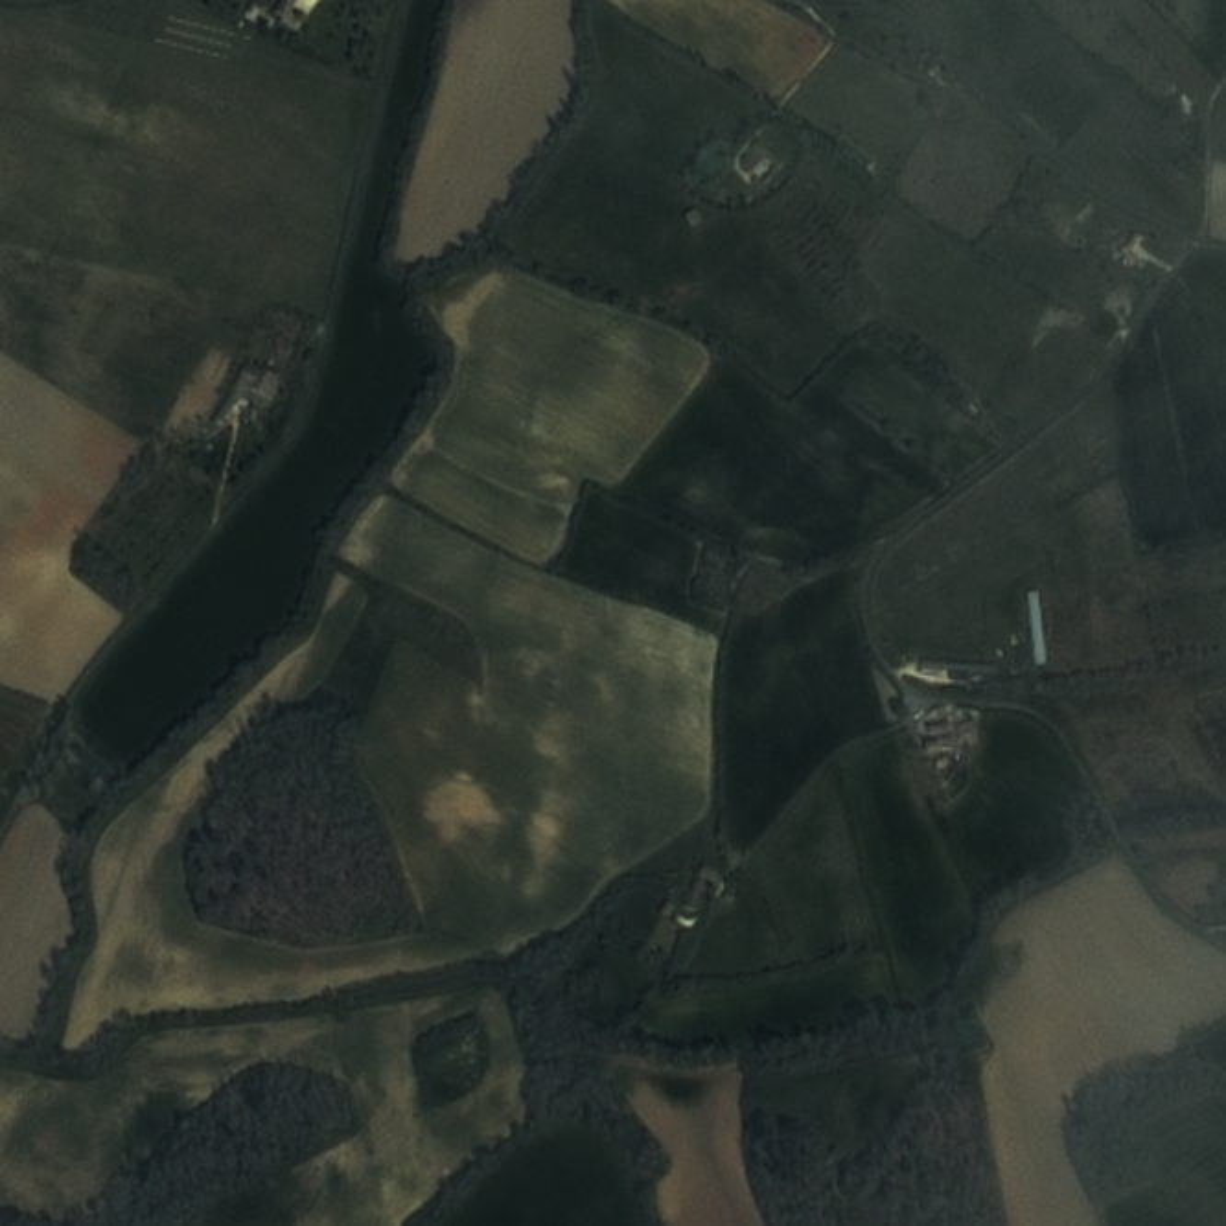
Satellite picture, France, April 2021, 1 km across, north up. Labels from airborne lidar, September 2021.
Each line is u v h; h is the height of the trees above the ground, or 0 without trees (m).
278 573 0
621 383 0
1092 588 0
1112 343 0
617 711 0
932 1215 13
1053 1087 0
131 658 0
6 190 0
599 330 0
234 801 10
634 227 0
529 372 0
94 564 9
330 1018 0
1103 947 0
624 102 0
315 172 0
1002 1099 0
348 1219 0
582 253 0
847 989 0
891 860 0
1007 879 0
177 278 0
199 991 0
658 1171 7
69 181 0
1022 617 0
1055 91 0
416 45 0
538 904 0
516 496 0
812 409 0
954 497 0
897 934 0
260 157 0
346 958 0
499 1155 9
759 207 6
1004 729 0
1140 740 0
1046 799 0
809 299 0
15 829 0
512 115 0
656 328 0
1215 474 0
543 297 0
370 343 0
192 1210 16
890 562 0
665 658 0
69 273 0
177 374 0
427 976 11
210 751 0
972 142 0
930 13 0
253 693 0
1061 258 0
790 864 0
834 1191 11
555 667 0
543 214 0
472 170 0
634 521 0
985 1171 12
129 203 0
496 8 0
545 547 0
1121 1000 0
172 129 0
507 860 0
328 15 0
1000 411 8
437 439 0
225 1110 9
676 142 0
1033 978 0
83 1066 15
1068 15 0
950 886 0
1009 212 8
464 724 0
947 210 0
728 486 0
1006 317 0
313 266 0
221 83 0
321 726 12
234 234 0
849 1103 0
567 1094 13
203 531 0
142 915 0
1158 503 0
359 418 0
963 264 0
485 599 0
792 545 0
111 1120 0
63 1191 0
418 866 0
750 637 0
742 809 0
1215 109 0
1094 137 0
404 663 0
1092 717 0
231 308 0
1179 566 0
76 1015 0
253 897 13
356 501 12
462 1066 0
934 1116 16
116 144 0
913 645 0
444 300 0
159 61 0
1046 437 0
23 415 0
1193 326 0
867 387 0
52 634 0
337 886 12
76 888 15
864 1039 24
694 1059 16
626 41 0
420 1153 0
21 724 0
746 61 0
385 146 0
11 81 0
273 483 0
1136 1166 14
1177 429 0
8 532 0
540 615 0
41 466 0
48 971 15
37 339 0
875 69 0
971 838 0
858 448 0
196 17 0
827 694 0
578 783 0
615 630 0
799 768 0
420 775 0
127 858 0
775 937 0
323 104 0
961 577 0
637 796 0
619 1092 14
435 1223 6
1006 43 0
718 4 0
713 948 0
